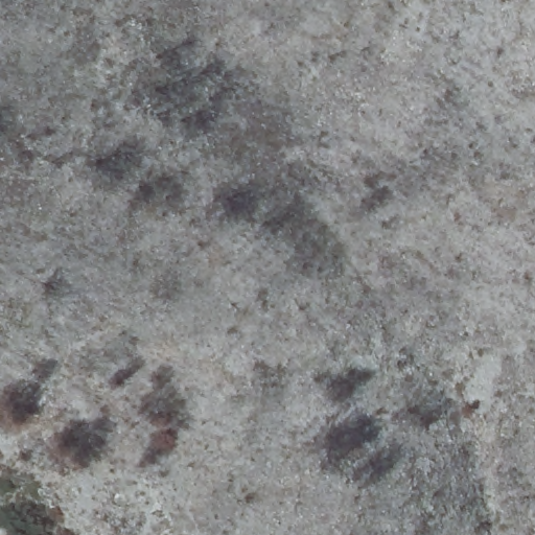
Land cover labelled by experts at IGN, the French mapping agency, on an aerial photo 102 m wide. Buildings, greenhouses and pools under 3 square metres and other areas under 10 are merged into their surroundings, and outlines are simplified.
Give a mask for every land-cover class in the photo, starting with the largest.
<instances>
[{"label":"bare soil","instance_id":"1","mask_svg":"<svg viewBox=\"0 0 535 535\"><path fill-rule=\"evenodd\" d=\"M0 462L19 472H31L40 483V495L44 506L61 508L65 516V529H71L77 535H535V0H0Z\"/></svg>","mask_w":535,"mask_h":535},{"label":"brushwood","instance_id":"2","mask_svg":"<svg viewBox=\"0 0 535 535\"><path fill-rule=\"evenodd\" d=\"M0 535H77L71 529H65V516L61 508L44 506L40 495V483L31 472H19L0 462Z\"/></svg>","mask_w":535,"mask_h":535}]
</instances>
